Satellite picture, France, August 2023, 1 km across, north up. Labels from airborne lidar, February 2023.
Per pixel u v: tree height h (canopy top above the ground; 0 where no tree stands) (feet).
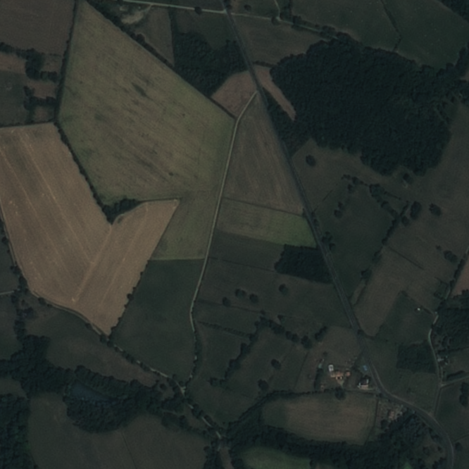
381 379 0
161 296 0
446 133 57
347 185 0
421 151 68
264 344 0
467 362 0
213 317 0
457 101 64
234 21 0
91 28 0
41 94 0
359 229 0
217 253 0
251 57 0
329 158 0
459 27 0
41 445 0
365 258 0
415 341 0
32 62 45
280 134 32
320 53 60
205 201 0
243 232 0
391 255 0
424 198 0
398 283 0
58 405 0
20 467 69
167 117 0
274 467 0
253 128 0
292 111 0
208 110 0
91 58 0
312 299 0
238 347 0
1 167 0
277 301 0
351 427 0
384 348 0
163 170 0
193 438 0
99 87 0
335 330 0
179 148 0
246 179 0
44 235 0
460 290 0
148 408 51
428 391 0
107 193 0
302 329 0
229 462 0
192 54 33
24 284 50
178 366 0
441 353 39
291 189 0
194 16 0
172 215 0
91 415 55
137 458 0
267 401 32
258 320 0
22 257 0
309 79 56
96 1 18
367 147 66
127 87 0
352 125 73
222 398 0
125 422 63
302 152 0
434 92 43
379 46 0
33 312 58
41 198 0
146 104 0
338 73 86
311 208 0
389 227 0
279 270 56
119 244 0
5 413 88
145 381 0
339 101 64
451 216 0
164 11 0
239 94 0
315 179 0
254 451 0
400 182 0
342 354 0
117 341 0
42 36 0
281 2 0
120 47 0
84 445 0
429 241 0
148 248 0
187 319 0
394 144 68
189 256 0
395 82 84
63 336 0
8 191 0
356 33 0
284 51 0
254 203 0
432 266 0
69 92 0
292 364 0
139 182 0
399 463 56
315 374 0
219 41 0
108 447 0
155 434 0
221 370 0
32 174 0
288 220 0
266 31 0
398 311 0
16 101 0
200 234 0
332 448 46
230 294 0
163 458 0
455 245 0
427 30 0
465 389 51
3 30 0
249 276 0
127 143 0
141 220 0
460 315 40
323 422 0
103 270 0
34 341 63
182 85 0
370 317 0
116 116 0
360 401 0
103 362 0
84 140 0
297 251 24
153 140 0
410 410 31
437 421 0
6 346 0
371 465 56
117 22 34
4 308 0
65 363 0
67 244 0
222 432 52
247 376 0
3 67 0
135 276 0
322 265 54
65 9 0
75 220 0
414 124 78
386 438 48
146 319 0
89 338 0
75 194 0
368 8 0
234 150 0
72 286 0
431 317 0
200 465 0
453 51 0
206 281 0
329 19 0
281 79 65
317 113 75
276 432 45
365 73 65
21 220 0
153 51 37
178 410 61
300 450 75
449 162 0
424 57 0
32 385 60
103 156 0
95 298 0
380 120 82
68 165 0
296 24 42
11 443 102
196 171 0
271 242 0
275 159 0
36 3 0
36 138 0
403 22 0
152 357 0
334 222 0
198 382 0
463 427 0
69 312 0
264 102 0
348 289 0
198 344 28
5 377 59
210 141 0
